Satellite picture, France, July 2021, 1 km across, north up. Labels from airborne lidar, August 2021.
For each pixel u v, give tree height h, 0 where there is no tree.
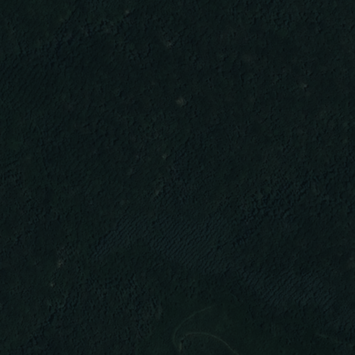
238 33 18
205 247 25
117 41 20
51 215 25
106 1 26
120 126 21
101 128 16
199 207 21
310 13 17
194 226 25
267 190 27
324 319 18
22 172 21
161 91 18
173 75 19
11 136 10
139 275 12
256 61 18
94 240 12
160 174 23
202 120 24
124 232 30
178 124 19
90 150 19
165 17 29
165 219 26
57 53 19
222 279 21
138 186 20
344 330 16
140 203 17
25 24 22
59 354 24
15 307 22
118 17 23
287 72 20
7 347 24
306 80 20
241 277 19
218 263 27
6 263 18
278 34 25
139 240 17
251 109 24
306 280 29
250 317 8
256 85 22
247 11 24
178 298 11
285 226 21
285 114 19
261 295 18
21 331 16
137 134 26
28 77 18
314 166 22
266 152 18
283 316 22
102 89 22
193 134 19
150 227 26
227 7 25
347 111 20
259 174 19
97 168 18
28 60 26
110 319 18
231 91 17
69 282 19
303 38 22
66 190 23
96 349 19
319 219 23
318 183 39
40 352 16
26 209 32
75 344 19
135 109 25
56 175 19
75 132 22
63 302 22
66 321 21
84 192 21
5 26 25
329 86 22
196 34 23
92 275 22
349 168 25
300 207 17
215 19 21
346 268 23
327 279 23
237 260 20
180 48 18
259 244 21
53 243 19
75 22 18
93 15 24
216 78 20
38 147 18
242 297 19
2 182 28
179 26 21
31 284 19
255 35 22
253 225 19
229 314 10
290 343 21
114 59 18
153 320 6
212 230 30
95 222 14
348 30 19
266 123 23
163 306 23
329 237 23
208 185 21
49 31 26
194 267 27
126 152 22
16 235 19
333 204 26
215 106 22
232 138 19
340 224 21
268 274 20
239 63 23
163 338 9
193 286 16
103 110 21
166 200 20
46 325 25
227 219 23
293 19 32
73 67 20
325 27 24
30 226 23
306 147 15
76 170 13
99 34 25
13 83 24
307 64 20
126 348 24
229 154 19
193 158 19
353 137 22
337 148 14
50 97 23
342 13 20
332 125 20
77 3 29
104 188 19
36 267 22
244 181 18
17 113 18
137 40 23
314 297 10
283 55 26
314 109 22
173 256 29
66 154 21
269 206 30
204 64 22
